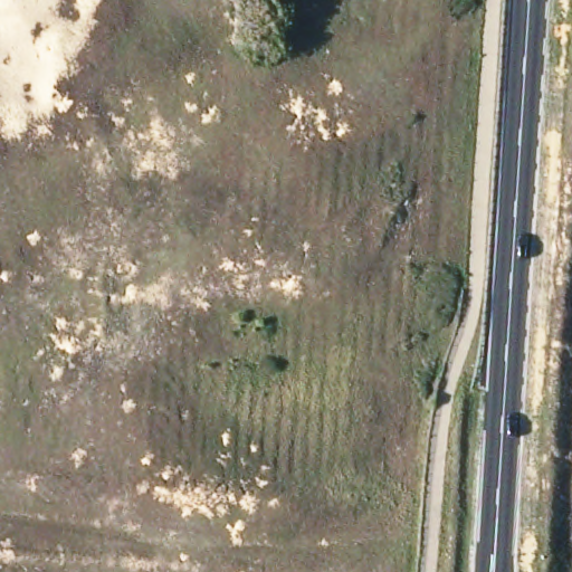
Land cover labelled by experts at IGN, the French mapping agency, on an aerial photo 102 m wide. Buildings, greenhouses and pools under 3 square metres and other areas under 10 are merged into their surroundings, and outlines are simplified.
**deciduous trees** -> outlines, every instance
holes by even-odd
[[[425,275],[420,282],[422,290],[440,302],[445,306],[451,304],[456,286],[451,275],[445,275]]]

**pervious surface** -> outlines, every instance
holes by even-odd
[[[559,409],[554,427],[559,454],[556,458],[552,458],[552,460],[554,480],[550,538],[556,545],[568,536],[572,538],[572,277],[565,290],[565,317],[561,331],[559,369]]]
[[[94,11],[98,7],[98,0],[0,0],[0,136],[18,139],[22,132],[38,132],[40,136],[45,136],[51,130],[51,112],[65,112],[69,107],[72,101],[56,92],[56,83],[58,78],[74,76],[78,72],[76,54],[83,49],[94,27]]]
[[[447,398],[451,391],[456,391],[463,371],[476,375],[480,366],[485,335],[505,0],[487,0],[485,4],[469,275],[471,297],[465,324],[454,320],[449,326],[456,349],[449,349],[442,355],[442,362],[449,366],[449,373],[445,371],[438,384],[436,404],[440,404],[440,413],[433,440],[427,552],[422,572],[436,572],[447,431],[454,413]]]

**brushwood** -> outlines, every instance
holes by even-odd
[[[433,380],[440,373],[438,366],[431,364],[427,371],[418,373],[427,395],[431,393]]]
[[[478,11],[485,4],[487,0],[445,0],[449,16],[456,20],[463,20],[465,16]]]
[[[223,20],[232,25],[230,42],[235,47],[244,47],[244,63],[248,63],[248,67],[255,65],[264,69],[282,67],[293,58],[311,56],[324,49],[331,40],[328,25],[331,18],[337,13],[340,0],[230,0],[232,7],[223,13]]]
[[[471,297],[469,275],[456,264],[445,264],[445,275],[451,275],[456,286],[451,304],[445,306],[440,302],[436,315],[445,320],[449,326],[454,320],[465,324]]]

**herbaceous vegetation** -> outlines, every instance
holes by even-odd
[[[532,561],[534,572],[572,572],[572,538],[568,536],[556,545],[550,538],[554,480],[552,460],[536,471],[538,501],[534,534],[536,550]]]
[[[476,375],[463,371],[456,391],[451,391],[447,398],[454,413],[447,431],[436,572],[467,572],[467,543],[471,532],[469,436],[476,422],[480,395]]]
[[[141,483],[147,483],[147,494],[154,496],[156,487],[177,489],[185,474],[190,476],[192,487],[235,492],[241,496],[248,494],[255,498],[255,512],[246,512],[239,505],[230,505],[226,512],[232,525],[237,521],[244,523],[241,545],[232,545],[232,541],[226,547],[206,550],[194,550],[192,545],[185,545],[190,563],[201,563],[201,572],[422,572],[427,552],[433,440],[440,413],[440,404],[436,404],[438,384],[445,371],[449,373],[449,366],[442,362],[442,355],[449,349],[456,349],[449,326],[445,320],[436,315],[440,302],[422,290],[420,282],[425,275],[445,275],[445,264],[456,264],[469,275],[485,4],[478,11],[465,16],[463,20],[456,20],[449,16],[445,0],[340,0],[337,13],[331,18],[328,25],[331,40],[324,49],[311,56],[293,58],[282,67],[264,69],[255,65],[248,67],[248,63],[244,63],[244,47],[235,47],[230,42],[232,25],[223,20],[223,13],[232,7],[230,0],[98,0],[98,7],[94,11],[94,27],[83,49],[76,54],[78,72],[74,76],[58,78],[56,83],[56,92],[72,101],[69,107],[65,112],[51,112],[51,130],[45,136],[40,136],[38,132],[22,132],[18,139],[0,136],[0,543],[11,541],[13,552],[36,556],[36,563],[0,561],[0,572],[177,572],[83,565],[83,556],[154,559],[154,545],[139,541],[132,532],[121,532],[112,525],[94,527],[94,518],[107,516],[107,507],[98,503],[98,496],[118,498],[121,494],[134,492]],[[328,130],[328,139],[322,139],[313,116],[302,116],[304,130],[286,130],[295,118],[290,109],[282,107],[284,103],[288,103],[290,89],[295,89],[295,94],[306,105],[326,112],[324,123]],[[136,159],[127,147],[123,147],[125,134],[147,132],[152,118],[161,118],[165,125],[170,125],[185,109],[185,103],[194,103],[203,112],[208,112],[210,107],[217,107],[219,112],[219,116],[212,123],[208,123],[208,130],[201,136],[201,145],[197,145],[197,150],[185,159],[190,161],[190,170],[181,170],[177,179],[161,177],[152,170],[145,172],[141,179],[134,179]],[[94,297],[87,290],[89,277],[96,275],[96,270],[87,266],[80,279],[72,279],[69,275],[60,273],[58,266],[51,264],[51,257],[63,252],[58,228],[65,228],[69,235],[76,235],[80,230],[87,230],[89,221],[107,223],[107,208],[114,208],[118,215],[125,208],[132,208],[132,219],[139,226],[136,235],[127,241],[130,261],[136,264],[136,286],[150,286],[163,273],[174,275],[177,270],[188,270],[190,279],[197,282],[201,266],[208,266],[208,273],[215,273],[226,259],[244,264],[246,273],[255,273],[255,259],[288,264],[288,268],[295,275],[306,264],[315,264],[315,286],[304,284],[299,288],[299,297],[293,297],[282,308],[261,302],[248,304],[237,295],[208,297],[206,311],[192,306],[183,313],[183,320],[179,324],[181,346],[168,346],[165,355],[145,362],[132,358],[123,371],[105,369],[103,358],[98,353],[92,358],[92,362],[85,362],[78,353],[56,349],[56,344],[51,342],[51,333],[56,333],[56,320],[60,317],[76,322],[80,322],[83,317],[98,317],[105,324],[105,299]],[[438,366],[440,373],[433,380],[431,393],[427,395],[418,373],[427,371],[431,364]]]
[[[559,409],[559,369],[543,369],[541,409],[538,416],[530,418],[530,427],[538,425],[536,451],[547,454],[552,458],[556,458],[559,454],[554,427]]]

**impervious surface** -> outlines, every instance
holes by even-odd
[[[538,416],[541,409],[543,369],[559,369],[561,331],[565,317],[565,290],[572,277],[572,0],[505,0],[485,335],[480,366],[476,375],[480,395],[476,422],[469,436],[471,532],[467,543],[467,572],[534,572],[532,561],[536,550],[534,534],[538,501],[536,471],[552,460],[552,458],[547,454],[536,451],[538,425],[530,427],[530,418]]]

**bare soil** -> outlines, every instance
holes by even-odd
[[[192,545],[194,550],[206,550],[226,547],[232,541],[232,545],[241,545],[244,523],[237,521],[232,525],[226,512],[230,505],[239,505],[246,512],[255,512],[255,498],[248,494],[241,496],[235,492],[192,487],[190,476],[185,474],[177,489],[156,487],[154,496],[147,494],[147,483],[141,483],[134,492],[121,494],[118,498],[98,496],[98,503],[107,507],[107,516],[94,518],[94,527],[112,525],[121,532],[132,532],[139,541],[154,545],[154,559],[83,556],[83,565],[177,572],[201,572],[201,563],[190,563],[185,545]]]
[[[201,145],[201,136],[208,130],[208,123],[212,123],[219,116],[219,112],[217,107],[210,107],[208,112],[203,112],[194,103],[185,103],[185,109],[170,125],[165,125],[161,118],[152,118],[147,132],[125,134],[123,147],[127,147],[136,159],[134,179],[141,179],[145,172],[152,170],[161,177],[177,179],[181,170],[190,170],[190,161],[185,159],[197,150],[197,145]]]
[[[226,259],[215,273],[208,273],[208,266],[201,266],[197,282],[190,279],[188,270],[177,270],[174,275],[163,273],[150,286],[136,286],[136,264],[130,261],[127,241],[136,235],[139,226],[132,219],[132,208],[125,208],[118,215],[114,208],[107,208],[107,223],[89,221],[87,230],[80,230],[76,235],[69,235],[65,228],[58,228],[63,252],[51,257],[51,264],[58,266],[60,273],[69,275],[72,279],[80,279],[87,266],[96,270],[96,275],[89,277],[87,290],[94,297],[105,299],[105,324],[98,317],[83,317],[80,322],[76,322],[60,317],[56,320],[56,333],[51,333],[51,342],[56,344],[56,349],[78,353],[85,362],[92,362],[92,358],[98,353],[103,358],[105,369],[123,371],[132,358],[145,362],[165,355],[168,346],[181,346],[179,324],[183,320],[183,313],[192,306],[206,311],[208,297],[237,295],[248,304],[261,302],[282,308],[293,297],[299,297],[299,288],[304,284],[315,286],[315,264],[306,264],[295,275],[288,268],[288,264],[255,259],[255,273],[246,273],[244,264]]]
[[[36,556],[13,552],[11,541],[0,543],[0,561],[36,563]]]
[[[282,107],[290,109],[295,118],[286,130],[304,130],[302,116],[313,116],[322,139],[328,139],[328,130],[324,123],[326,112],[306,105],[295,94],[295,89],[290,89],[288,103],[284,103]]]

